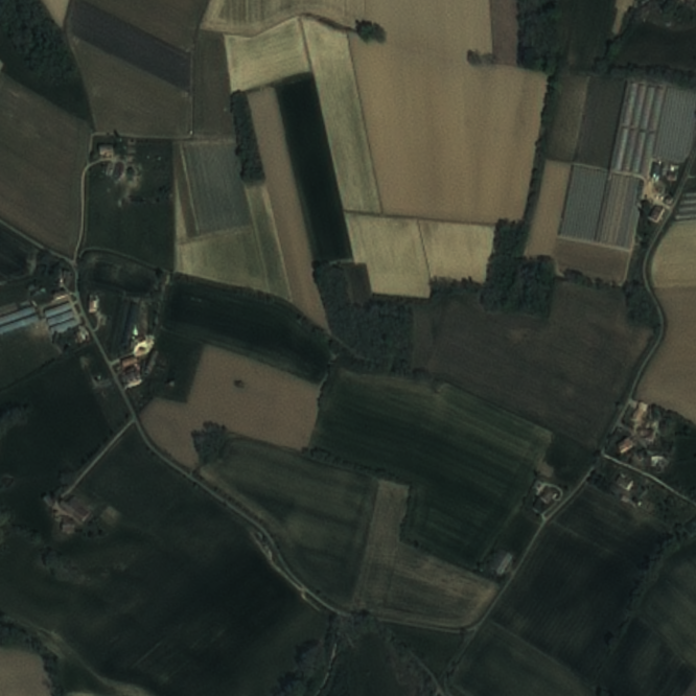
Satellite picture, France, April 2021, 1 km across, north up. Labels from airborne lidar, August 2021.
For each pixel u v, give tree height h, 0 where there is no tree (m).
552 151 0
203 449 17
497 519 0
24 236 0
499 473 0
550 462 0
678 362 0
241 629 0
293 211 0
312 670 20
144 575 0
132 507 0
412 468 0
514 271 12
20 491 0
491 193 0
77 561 0
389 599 0
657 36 0
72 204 0
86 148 0
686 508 7
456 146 0
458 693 0
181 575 0
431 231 0
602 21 0
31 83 0
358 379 0
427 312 0
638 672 0
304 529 0
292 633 0
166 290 8
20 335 0
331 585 0
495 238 7
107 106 0
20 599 0
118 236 0
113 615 0
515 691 0
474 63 16
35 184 0
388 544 0
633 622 0
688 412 0
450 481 0
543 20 22
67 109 0
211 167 0
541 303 15
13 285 0
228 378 0
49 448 0
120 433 0
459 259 0
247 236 0
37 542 16
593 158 0
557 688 0
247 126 7
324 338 14
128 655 0
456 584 0
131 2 0
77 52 0
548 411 0
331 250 0
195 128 0
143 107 0
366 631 9
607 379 0
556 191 0
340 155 0
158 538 0
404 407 0
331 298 15
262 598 0
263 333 0
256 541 0
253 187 0
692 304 0
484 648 0
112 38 0
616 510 0
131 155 0
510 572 0
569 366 0
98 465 0
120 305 0
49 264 12
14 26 16
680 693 0
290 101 0
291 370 0
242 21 0
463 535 0
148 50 0
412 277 0
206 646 0
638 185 0
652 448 8
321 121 0
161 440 0
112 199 0
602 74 14
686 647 0
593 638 0
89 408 0
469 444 0
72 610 0
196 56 0
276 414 0
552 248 0
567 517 0
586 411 0
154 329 8
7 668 0
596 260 0
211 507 0
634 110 0
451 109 0
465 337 0
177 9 0
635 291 17
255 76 0
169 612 0
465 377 0
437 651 0
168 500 0
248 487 0
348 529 0
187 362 0
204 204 0
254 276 0
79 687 0
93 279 0
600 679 0
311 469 0
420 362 0
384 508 0
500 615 0
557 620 0
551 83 12
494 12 0
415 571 0
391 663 10
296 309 0
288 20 0
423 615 0
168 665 0
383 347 16
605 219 0
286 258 0
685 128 0
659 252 0
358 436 0
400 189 0
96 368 0
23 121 0
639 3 6
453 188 0
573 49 0
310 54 0
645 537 0
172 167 0
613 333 0
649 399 0
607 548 0
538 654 0
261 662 0
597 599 0
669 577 0
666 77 17
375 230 0
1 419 12
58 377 0
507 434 0
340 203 0
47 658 12
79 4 0
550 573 0
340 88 0
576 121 0
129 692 0
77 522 0
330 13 0
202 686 0
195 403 0
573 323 0
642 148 0
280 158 0
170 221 0
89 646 0
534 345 0
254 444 0
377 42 14
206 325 0
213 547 0
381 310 19
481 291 11
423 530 0
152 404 0
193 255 0
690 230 0
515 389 0
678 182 0
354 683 0
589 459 0
